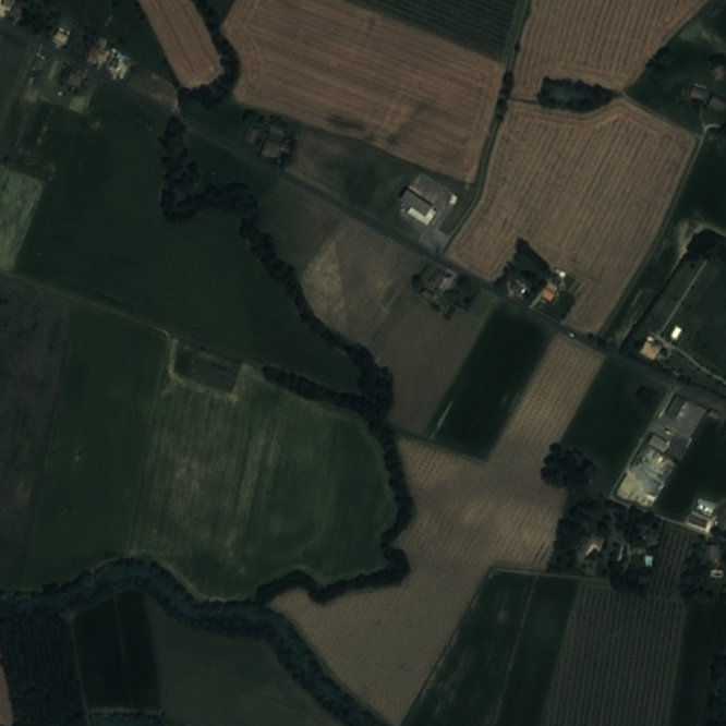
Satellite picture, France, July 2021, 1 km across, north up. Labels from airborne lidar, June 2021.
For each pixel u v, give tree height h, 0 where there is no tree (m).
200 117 0
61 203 0
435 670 0
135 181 0
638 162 0
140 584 9
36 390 0
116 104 0
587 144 0
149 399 0
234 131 0
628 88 0
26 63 0
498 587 0
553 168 0
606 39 0
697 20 0
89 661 0
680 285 0
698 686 0
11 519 0
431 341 0
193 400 0
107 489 0
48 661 25
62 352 0
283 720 0
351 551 0
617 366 0
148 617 0
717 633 0
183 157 25
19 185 0
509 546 0
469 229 0
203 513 0
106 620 0
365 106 0
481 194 0
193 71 0
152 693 0
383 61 0
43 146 0
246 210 18
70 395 0
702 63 0
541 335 0
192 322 0
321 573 0
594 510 10
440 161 0
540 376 0
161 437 0
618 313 0
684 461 0
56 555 0
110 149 0
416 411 0
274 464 0
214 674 0
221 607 14
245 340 0
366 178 0
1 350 0
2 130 0
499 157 0
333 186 0
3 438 0
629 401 0
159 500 0
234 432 0
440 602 0
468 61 0
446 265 0
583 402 0
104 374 0
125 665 0
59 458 0
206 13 20
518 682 0
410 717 0
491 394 0
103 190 0
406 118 0
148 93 0
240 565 0
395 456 13
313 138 0
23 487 0
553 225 0
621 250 0
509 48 0
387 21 0
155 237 0
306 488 0
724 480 0
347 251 0
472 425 0
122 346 0
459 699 0
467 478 0
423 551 0
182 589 14
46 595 12
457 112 0
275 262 7
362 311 0
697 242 13
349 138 0
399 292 0
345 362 0
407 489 11
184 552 0
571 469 21
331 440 0
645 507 0
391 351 0
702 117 0
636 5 0
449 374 0
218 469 0
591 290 0
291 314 0
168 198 15
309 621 0
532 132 0
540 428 0
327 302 0
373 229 0
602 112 0
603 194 0
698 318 0
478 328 0
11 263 0
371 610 0
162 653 0
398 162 0
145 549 0
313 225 0
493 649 0
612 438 0
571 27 0
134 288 0
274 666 0
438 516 0
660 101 0
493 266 0
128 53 0
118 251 0
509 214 0
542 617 0
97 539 0
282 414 0
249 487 0
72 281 0
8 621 22
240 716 0
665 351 10
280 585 14
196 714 0
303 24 0
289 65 0
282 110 0
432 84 0
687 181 0
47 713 19
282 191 0
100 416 0
